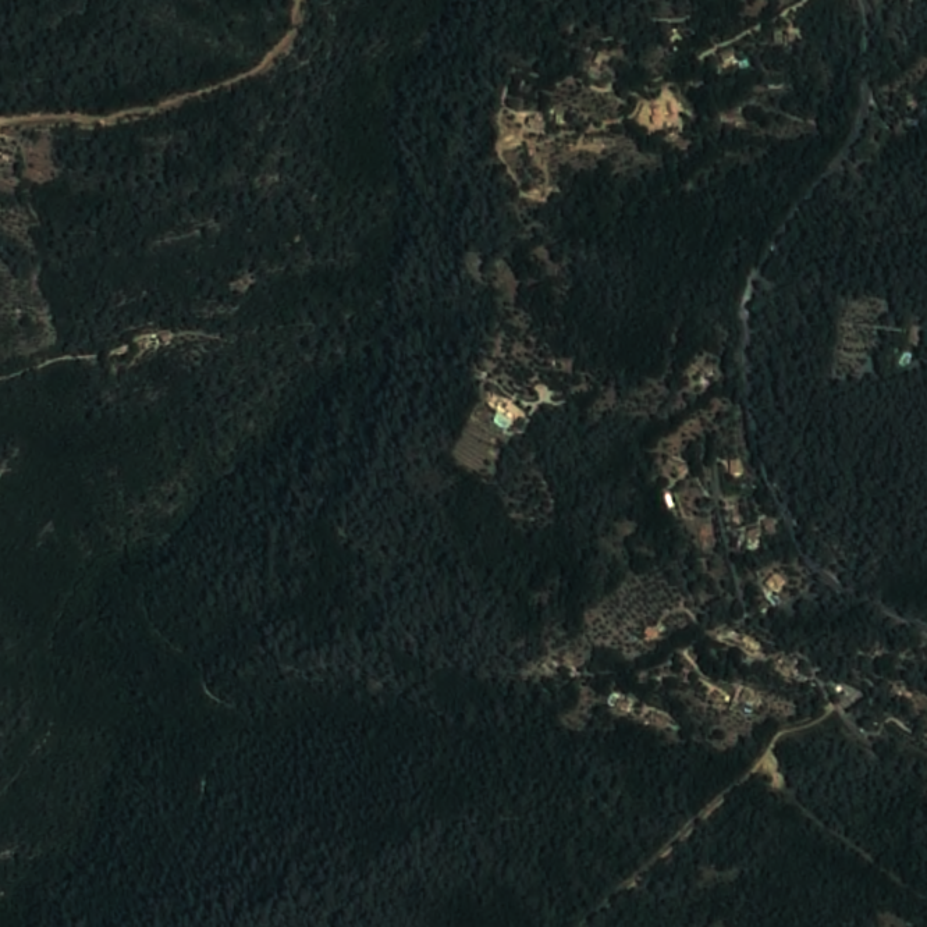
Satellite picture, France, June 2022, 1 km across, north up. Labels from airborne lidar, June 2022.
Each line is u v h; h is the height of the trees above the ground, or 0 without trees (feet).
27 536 30
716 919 41
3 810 36
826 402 54
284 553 23
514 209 46
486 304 46
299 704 26
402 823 31
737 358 63
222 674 24
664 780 35
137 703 42
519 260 49
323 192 55
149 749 66
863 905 47
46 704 36
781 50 54
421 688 70
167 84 34
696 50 29
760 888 37
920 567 37
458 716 31
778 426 70
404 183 41
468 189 54
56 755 29
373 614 36
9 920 65
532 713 54
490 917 33
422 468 62
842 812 64
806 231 52
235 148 37
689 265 50
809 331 60
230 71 29
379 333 38
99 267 26
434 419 67
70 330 27
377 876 66
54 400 35
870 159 37
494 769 47
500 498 34
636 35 35
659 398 19
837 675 48
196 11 23
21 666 34
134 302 24
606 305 49
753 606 33
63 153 46
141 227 21
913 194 54
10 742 35
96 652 58
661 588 21
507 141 0
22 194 31
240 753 27
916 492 50
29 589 37
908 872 56
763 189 33
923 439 55
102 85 47
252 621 39
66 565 43
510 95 26
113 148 42
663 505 46
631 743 51
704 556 21
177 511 24
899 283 53
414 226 74
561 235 44
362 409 41
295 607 61
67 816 35
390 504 62
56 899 40
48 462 38
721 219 51
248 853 24
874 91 19
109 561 40
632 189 40
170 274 32
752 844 63
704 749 75
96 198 33
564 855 67
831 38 45
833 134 24
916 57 39
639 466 66
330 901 74
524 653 67
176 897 33
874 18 57
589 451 65
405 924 58
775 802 32
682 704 34
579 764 66
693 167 37
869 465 46
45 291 32
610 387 53
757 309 73
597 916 66
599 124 32
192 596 23
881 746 49
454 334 32
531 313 19
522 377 31
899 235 44
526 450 51
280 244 35
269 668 27
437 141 19
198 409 84
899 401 49
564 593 43
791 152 41
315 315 62
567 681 27
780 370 60
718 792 23
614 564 31
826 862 40
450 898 32
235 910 36
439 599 73
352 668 71
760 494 36
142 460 32
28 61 56
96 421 92
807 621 52
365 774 35
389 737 32
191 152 60
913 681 64
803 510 54
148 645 39
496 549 29
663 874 37
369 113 40
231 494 24
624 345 39
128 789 62
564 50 44
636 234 34
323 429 38
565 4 37
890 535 48
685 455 34
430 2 32
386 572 76
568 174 29
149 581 36
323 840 43
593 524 30
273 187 20
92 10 31
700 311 58
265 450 21
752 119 45
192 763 40
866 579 60
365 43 28
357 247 28
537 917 41
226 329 72
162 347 22
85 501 31
